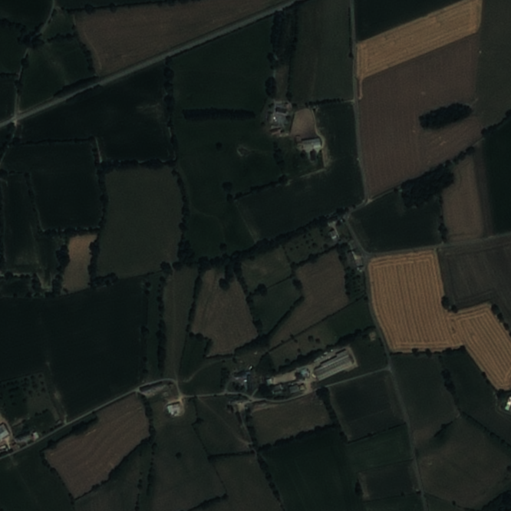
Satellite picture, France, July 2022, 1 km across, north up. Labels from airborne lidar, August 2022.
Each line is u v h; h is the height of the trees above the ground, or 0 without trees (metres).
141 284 0
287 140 0
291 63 7
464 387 0
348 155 0
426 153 0
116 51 0
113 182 0
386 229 0
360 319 0
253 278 0
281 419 0
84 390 0
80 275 0
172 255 0
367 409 0
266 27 0
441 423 0
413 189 18
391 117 0
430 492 0
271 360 9
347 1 0
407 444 0
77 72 0
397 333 0
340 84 0
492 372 0
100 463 0
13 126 16
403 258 0
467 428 0
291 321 0
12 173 6
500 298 0
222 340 0
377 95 0
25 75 7
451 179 11
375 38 0
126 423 0
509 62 0
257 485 0
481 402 0
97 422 7
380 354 0
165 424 0
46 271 0
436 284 0
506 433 0
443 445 0
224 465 0
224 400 0
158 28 0
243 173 0
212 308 0
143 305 0
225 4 0
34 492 0
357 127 0
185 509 0
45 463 11
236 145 0
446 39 0
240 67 0
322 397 18
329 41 0
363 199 0
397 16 0
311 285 0
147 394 0
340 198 0
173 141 16
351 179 0
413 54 0
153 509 0
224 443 0
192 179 0
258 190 14
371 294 0
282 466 0
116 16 0
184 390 0
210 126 0
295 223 0
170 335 0
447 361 0
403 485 0
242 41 0
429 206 0
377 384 0
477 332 0
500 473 0
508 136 0
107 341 0
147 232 0
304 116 0
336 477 0
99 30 0
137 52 0
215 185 0
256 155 0
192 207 0
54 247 0
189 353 0
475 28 0
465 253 0
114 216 0
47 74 0
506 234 0
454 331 0
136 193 0
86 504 0
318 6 0
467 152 10
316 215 0
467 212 0
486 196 0
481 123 0
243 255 13
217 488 0
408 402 0
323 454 0
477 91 0
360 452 0
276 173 0
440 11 0
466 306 0
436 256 0
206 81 0
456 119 16
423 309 0
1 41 0
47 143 8
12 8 0
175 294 0
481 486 0
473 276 0
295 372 0
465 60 0
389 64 0
